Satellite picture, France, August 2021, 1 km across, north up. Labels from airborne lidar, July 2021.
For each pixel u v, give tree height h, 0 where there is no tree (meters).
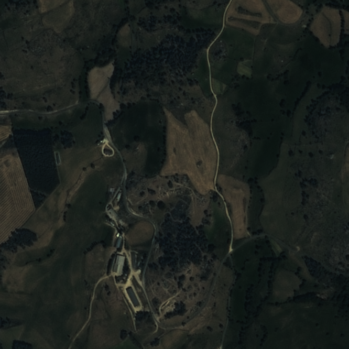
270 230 0
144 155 0
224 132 0
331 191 0
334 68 0
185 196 0
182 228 16
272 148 0
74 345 0
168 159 0
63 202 0
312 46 0
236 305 0
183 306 12
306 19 0
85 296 0
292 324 0
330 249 0
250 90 0
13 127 7
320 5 8
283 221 0
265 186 0
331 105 0
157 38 0
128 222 0
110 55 10
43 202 11
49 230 0
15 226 0
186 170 0
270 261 15
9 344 0
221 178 0
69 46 0
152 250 0
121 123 0
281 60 0
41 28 0
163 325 0
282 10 0
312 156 19
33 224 0
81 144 0
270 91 0
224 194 0
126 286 0
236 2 0
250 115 13
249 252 0
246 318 15
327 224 0
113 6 0
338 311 7
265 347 0
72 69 0
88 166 0
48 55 0
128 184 0
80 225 0
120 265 0
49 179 19
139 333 0
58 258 0
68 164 0
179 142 0
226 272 0
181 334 0
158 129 0
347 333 0
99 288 0
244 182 0
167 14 0
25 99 0
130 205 0
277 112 0
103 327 0
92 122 0
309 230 0
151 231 0
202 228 14
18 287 0
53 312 0
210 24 0
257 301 0
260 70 0
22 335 0
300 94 0
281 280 0
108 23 0
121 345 0
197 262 8
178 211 0
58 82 0
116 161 0
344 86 12
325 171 0
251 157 0
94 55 0
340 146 0
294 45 0
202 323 0
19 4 11
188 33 11
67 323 0
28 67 0
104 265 0
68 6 0
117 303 0
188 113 0
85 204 0
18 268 0
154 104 0
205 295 0
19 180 0
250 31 0
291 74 0
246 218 0
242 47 0
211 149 0
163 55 12
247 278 0
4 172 0
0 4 0
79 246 0
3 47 0
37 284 0
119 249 12
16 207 0
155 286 0
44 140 21
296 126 0
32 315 0
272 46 0
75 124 0
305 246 0
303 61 0
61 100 0
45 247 0
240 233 0
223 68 0
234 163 0
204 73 0
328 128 0
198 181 0
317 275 18
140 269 0
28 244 11
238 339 0
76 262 0
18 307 0
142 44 0
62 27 0
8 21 0
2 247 12
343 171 0
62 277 0
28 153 19
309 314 0
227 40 0
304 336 0
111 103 0
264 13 0
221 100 0
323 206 0
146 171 0
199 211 0
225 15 0
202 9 0
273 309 0
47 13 0
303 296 11
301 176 13
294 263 0
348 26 0
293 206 0
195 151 0
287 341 0
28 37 0
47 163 18
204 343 0
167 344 0
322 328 0
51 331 0
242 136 0
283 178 0
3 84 0
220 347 0
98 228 0
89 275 0
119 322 0
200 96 0
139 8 0
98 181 0
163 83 14
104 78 0
